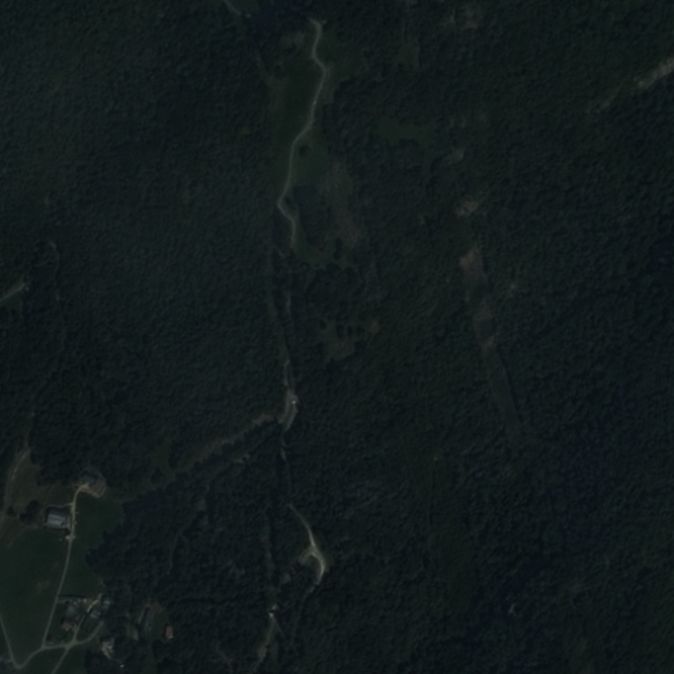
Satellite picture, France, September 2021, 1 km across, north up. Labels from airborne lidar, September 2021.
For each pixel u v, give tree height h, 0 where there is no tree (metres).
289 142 0
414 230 23
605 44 21
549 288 28
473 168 17
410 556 25
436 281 10
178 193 23
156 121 26
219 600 7
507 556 26
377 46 15
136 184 23
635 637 15
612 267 27
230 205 25
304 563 0
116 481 20
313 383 22
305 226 19
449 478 13
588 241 26
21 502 0
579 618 6
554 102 19
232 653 26
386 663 22
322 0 18
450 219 8
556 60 17
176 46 18
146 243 23
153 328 26
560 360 27
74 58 23
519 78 19
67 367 24
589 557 19
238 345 21
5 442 16
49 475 18
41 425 18
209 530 14
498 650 24
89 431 22
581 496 35
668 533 20
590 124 23
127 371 24
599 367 26
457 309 12
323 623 24
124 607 23
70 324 24
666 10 20
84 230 23
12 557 0
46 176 22
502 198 23
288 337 11
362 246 7
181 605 18
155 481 18
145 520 20
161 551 24
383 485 19
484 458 24
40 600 0
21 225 21
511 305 17
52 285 17
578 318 33
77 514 0
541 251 15
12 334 20
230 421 22
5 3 24
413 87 12
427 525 22
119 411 22
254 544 20
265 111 14
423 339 23
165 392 19
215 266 25
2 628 0
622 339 25
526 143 27
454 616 11
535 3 25
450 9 7
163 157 25
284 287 13
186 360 18
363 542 18
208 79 19
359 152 28
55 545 0
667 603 13
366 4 24
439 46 17
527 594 23
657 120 37
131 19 21
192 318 23
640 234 29
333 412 12
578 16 34
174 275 25
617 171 26
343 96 14
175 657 25
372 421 24
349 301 17
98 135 24
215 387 18
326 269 0
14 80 16
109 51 17
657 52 23
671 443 20
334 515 26
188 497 24
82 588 0
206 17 30
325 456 21
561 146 25
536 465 23
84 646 0
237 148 24
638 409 24
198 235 17
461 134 16
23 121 19
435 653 6
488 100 19
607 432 25
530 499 27
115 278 21
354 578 23
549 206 26
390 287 16
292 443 20
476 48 30
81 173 23
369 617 27
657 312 39
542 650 25
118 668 14
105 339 21
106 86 19
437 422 14
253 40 7
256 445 21
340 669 17
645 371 24
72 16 22
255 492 19
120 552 18
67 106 11
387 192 23
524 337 25
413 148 18
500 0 32
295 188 0
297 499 25
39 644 0
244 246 19
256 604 19
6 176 21
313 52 0
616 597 22
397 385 20
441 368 21
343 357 0
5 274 18
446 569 7
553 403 22
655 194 27
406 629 22
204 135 17
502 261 26
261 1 0
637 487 20
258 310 22
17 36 23
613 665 16
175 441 14
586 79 24
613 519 20
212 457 0
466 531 11
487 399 22
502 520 27
